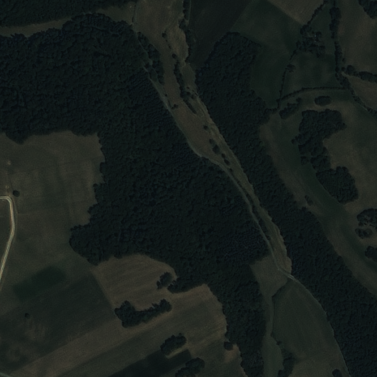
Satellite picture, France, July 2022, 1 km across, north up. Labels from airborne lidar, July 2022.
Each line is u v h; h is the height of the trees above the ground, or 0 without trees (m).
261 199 18
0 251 0
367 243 0
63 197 0
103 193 17
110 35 30
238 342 14
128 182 27
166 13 0
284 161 0
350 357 18
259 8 0
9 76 21
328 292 20
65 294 0
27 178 0
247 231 19
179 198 21
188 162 21
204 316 0
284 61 0
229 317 16
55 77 26
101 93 22
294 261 25
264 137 0
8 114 32
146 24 0
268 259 0
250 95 15
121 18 0
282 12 0
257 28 0
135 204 33
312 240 20
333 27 20
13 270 0
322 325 0
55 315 0
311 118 23
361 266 0
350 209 0
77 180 0
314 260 13
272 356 0
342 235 0
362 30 0
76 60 29
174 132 20
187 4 18
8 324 0
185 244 21
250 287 21
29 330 0
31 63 23
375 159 0
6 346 0
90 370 0
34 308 0
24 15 20
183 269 17
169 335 0
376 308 20
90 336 0
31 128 25
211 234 24
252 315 19
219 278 7
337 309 22
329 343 0
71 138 0
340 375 18
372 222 14
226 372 0
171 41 0
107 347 0
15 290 0
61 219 0
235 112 16
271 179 22
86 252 16
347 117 0
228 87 19
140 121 23
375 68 0
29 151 0
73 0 21
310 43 17
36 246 0
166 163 24
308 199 10
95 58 33
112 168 20
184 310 0
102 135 14
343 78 12
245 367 17
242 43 19
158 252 15
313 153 16
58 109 22
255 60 11
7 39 16
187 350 0
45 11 19
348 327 24
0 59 26
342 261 16
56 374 0
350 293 19
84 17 20
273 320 0
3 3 21
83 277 0
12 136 17
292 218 17
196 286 18
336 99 0
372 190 0
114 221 22
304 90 13
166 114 24
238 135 18
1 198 0
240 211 16
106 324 0
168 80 0
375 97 0
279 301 0
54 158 0
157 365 0
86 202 0
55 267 0
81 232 19
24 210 0
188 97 15
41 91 28
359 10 0
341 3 0
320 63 0
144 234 26
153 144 19
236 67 21
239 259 24
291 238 22
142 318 23
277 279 0
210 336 0
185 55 0
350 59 0
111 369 0
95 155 0
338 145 0
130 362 0
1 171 0
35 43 29
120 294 0
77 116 18
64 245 0
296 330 0
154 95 21
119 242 27
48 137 0
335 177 20
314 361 0
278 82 0
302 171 0
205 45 0
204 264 22
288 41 0
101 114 21
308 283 21
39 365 0
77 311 0
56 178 0
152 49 21
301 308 0
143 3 0
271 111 13
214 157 0
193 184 17
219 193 21
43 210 0
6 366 0
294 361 16
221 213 20
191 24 0
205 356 0
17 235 0
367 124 0
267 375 0
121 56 21
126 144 15
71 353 0
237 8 0
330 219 0
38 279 0
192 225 22
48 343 0
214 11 0
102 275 0
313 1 0
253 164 19
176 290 18
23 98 6
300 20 0
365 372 20
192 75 0
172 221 18
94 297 0
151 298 0
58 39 29
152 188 19
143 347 0
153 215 26
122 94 26
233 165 0
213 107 20
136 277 0
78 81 20
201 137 0
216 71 21
